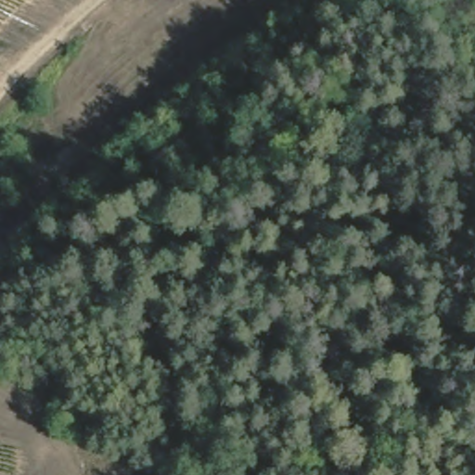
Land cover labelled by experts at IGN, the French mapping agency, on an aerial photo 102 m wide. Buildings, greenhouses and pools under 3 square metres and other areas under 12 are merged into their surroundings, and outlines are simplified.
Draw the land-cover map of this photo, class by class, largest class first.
<instances>
[{"label":"coniferous trees","instance_id":"1","mask_svg":"<svg viewBox=\"0 0 475 475\"><path fill-rule=\"evenodd\" d=\"M325 24L319 37L323 46L317 52L302 50V46L299 45L293 46L288 58L282 63H275L278 83L273 87L267 85L263 93H250L243 98L241 109L236 111L234 117V128L230 132L232 141L239 148L236 158H225L223 163L219 161L212 169L204 167L199 173V186L195 187L193 193L176 191L169 199L160 187L154 186L152 180H145L137 184L132 191H124L122 195H108L104 202L96 206L98 215L95 219L74 215L72 223H56L54 217H45L39 225L43 232L35 237L26 249H22V260L19 263L20 282H2L0 291V386L19 384L20 388L32 390L35 395H46L48 401H63L61 414H72L74 417V421L69 425L74 434V443L87 453H96L100 460H106L108 464L119 460L126 468L137 469L139 475H178L176 464L180 456H189L193 460H199L200 464H208L213 453V443L221 438V430L241 425L245 427L247 438H254L258 442L254 447L256 466L247 469L245 475H325V466L297 464V458L301 456V447H308L312 443L319 458H323V464L334 460L338 468L360 466L366 453V440L375 434L377 414L382 408V401L390 393L395 404H414L416 414L414 427L406 429L408 451L403 475H475V58L469 63H462L460 67L453 65L455 54L451 50V37L443 30V26H440V11L432 9V13L423 20V30H419L416 20L406 9V0H364L362 7L349 22H343L338 6L325 4ZM358 104L369 113L371 126L364 137L360 158L354 161L340 160L334 154L338 150L336 137L343 132L341 113H347ZM336 237H341L343 245L349 247L345 250L343 262L336 258L328 262L325 245L328 239Z\"/></svg>","mask_w":475,"mask_h":475},{"label":"deciduous trees","instance_id":"2","mask_svg":"<svg viewBox=\"0 0 475 475\"><path fill-rule=\"evenodd\" d=\"M325 4L338 6L343 22H349L362 7L364 0H278L269 4L271 11L267 15V28L258 37L250 33L225 59L212 56L193 72V76L186 80V83L178 85V93L184 95L178 108L174 111L169 108H158V115L152 119H147L143 113L137 111L134 122L130 124L126 134L111 139L104 148L100 145L89 148L82 139L72 143L65 137H54L46 132H32L28 128H19L15 122L7 124L6 128L0 126V291L2 282H20L19 263L22 260V249H26L35 237L43 232L39 225L45 217H54L56 223H72L74 215L95 219L98 215L96 206L104 202L108 195H122L124 191H132L137 184L145 180H152L154 186L160 187L169 199L176 191L193 193L195 187L199 186V173L204 167L212 169L219 161L223 163L225 158H236L239 148L232 141L230 132L234 128V117L236 111L241 109L243 98L250 93H263L267 85L273 87L278 83L275 63H282L288 58L293 46L299 45L302 46V50L317 52L323 46L319 37L325 24ZM406 9L416 20L419 30H423V20L432 13V9L440 11V26H443V30L451 37V50L455 54L453 65L460 67L462 63H469L475 58V0H406ZM54 91L39 80L28 98L32 104L28 111L35 113L37 117H48L54 111ZM343 132L336 137L338 150L334 154L340 160L354 161L360 158L364 137L371 126L369 113L358 104L347 113H341ZM349 247L343 245L341 237H336L328 239L325 245L328 262L336 258L343 262L345 250ZM416 414L414 404H395L390 393L382 401V408L377 414L375 434L366 440V453L360 466L338 468L334 460L323 464V458H319L312 443L308 447H301V456L297 458V464L325 466V475H403L408 451L406 429L414 427ZM74 421V417L72 414H61L52 417V427L46 438L74 443V434L69 425ZM258 442L254 438H247L245 427L241 425L221 430V438L213 443V453L208 464H200L199 460H193L189 456H180L176 464L178 475H245L247 469L256 466L254 447Z\"/></svg>","mask_w":475,"mask_h":475},{"label":"herbaceous vegetation","instance_id":"3","mask_svg":"<svg viewBox=\"0 0 475 475\"><path fill-rule=\"evenodd\" d=\"M82 0H35L32 6L26 4L15 9L13 13L33 22V28H26L13 20L11 24H7L6 30L0 33V69L7 67L9 63H15L22 52H26L37 39H41L67 11H71L72 7L80 4ZM278 0H106L100 6H96L87 17H83L72 28L69 37L58 43L54 50H50L45 58L24 76L9 78V89L6 96L0 100V115L15 102L28 98L39 80L41 72L45 71L46 67H50L56 59L65 56L67 48L71 46L69 39L74 41L76 37H82L85 45L80 58L74 59L65 67L54 91V111L48 117H37L35 113L28 111H20L19 121L15 122L19 128H28L32 132H46L54 137H65L72 143L82 139L89 148L100 145L104 148L111 139L126 134L130 124L134 122L137 111L143 113L147 119H152L158 115V108H169L174 111L178 108L184 95L178 93V85L186 83V80L193 76V72L212 56L225 59L250 33L258 37L267 28V15L271 11L269 4ZM63 401H48L46 395H35L32 390L20 388L19 384L0 386V443L13 445L15 455V471H0V475H139L137 469L126 468L119 460L108 464L106 460H100L96 453H87L74 443L46 438L52 427V417L61 414Z\"/></svg>","mask_w":475,"mask_h":475},{"label":"pervious surface","instance_id":"4","mask_svg":"<svg viewBox=\"0 0 475 475\"><path fill-rule=\"evenodd\" d=\"M106 0H82L80 4L72 7L71 11H67L41 39H37L26 52H22L15 63H9L7 67L0 69V100L6 96L9 89V78L24 76L45 58L50 50H54L58 43L69 37L72 28L83 17H87L96 6H100Z\"/></svg>","mask_w":475,"mask_h":475},{"label":"brushwood","instance_id":"5","mask_svg":"<svg viewBox=\"0 0 475 475\"><path fill-rule=\"evenodd\" d=\"M71 46L67 48L65 56L56 59L50 67H46L45 71L41 72L39 80L54 91L65 67L74 59L80 58L85 45L82 37H76L74 41L69 39ZM32 104L28 98L15 102L0 115V126L6 128L7 124L19 121L20 111H28Z\"/></svg>","mask_w":475,"mask_h":475},{"label":"vineyard","instance_id":"6","mask_svg":"<svg viewBox=\"0 0 475 475\"><path fill-rule=\"evenodd\" d=\"M35 0H0V33L6 30L7 24H11L13 20L26 28H33V22L13 13L15 9L26 4L32 6ZM0 471H15V455L13 445L0 443Z\"/></svg>","mask_w":475,"mask_h":475}]
</instances>
